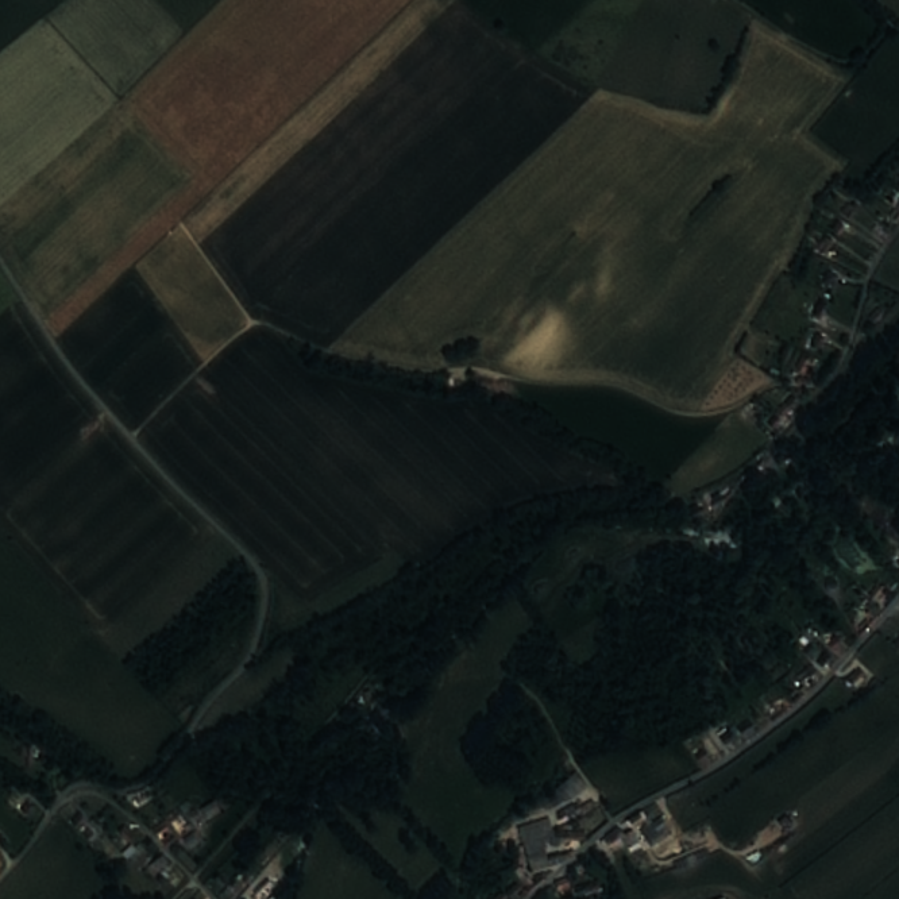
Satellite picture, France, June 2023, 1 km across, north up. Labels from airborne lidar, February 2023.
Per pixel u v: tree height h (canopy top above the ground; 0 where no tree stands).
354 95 0
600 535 0
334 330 0
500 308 0
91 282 0
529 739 15
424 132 0
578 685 14
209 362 0
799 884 0
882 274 0
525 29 0
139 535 0
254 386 0
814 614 10
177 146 0
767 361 0
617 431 0
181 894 0
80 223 0
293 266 0
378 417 0
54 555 0
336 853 0
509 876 0
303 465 0
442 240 0
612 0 0
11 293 0
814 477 28
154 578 0
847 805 0
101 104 0
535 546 10
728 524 9
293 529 0
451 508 0
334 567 0
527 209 0
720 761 0
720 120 0
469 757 27
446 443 0
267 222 0
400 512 0
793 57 0
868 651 0
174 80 0
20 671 0
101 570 0
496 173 0
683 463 0
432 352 0
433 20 0
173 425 0
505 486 0
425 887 0
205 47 0
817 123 0
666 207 0
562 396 0
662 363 0
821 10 0
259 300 0
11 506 0
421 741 0
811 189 0
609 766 0
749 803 0
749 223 0
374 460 0
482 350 0
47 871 0
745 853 0
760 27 0
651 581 19
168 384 0
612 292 0
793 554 17
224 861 0
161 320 0
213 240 0
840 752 0
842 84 0
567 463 0
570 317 0
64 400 0
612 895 13
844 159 0
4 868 0
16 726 16
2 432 0
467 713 0
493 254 0
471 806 0
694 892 0
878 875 0
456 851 0
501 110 0
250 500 0
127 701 0
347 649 25
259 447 0
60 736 10
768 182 0
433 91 0
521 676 11
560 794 0
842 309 0
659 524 18
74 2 0
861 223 0
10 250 0
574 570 0
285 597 0
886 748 0
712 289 0
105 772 8
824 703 0
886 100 0
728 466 0
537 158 0
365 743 22
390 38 0
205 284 0
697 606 18
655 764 0
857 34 0
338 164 0
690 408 0
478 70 0
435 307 0
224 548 0
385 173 0
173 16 0
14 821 0
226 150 0
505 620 0
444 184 0
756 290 0
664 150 0
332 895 0
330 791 33
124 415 0
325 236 0
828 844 0
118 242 0
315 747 13
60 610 0
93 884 0
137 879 0
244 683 0
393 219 0
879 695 0
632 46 0
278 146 0
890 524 8
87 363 0
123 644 0
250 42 0
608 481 0
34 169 0
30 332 0
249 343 0
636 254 0
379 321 0
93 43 0
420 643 14
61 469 0
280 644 12
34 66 0
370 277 0
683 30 0
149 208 0
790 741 8
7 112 0
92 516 0
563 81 0
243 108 0
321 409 0
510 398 8
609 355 0
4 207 0
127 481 0
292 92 0
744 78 0
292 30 0
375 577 0
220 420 0
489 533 7
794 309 0
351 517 0
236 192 0
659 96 0
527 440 0
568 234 0
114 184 0
